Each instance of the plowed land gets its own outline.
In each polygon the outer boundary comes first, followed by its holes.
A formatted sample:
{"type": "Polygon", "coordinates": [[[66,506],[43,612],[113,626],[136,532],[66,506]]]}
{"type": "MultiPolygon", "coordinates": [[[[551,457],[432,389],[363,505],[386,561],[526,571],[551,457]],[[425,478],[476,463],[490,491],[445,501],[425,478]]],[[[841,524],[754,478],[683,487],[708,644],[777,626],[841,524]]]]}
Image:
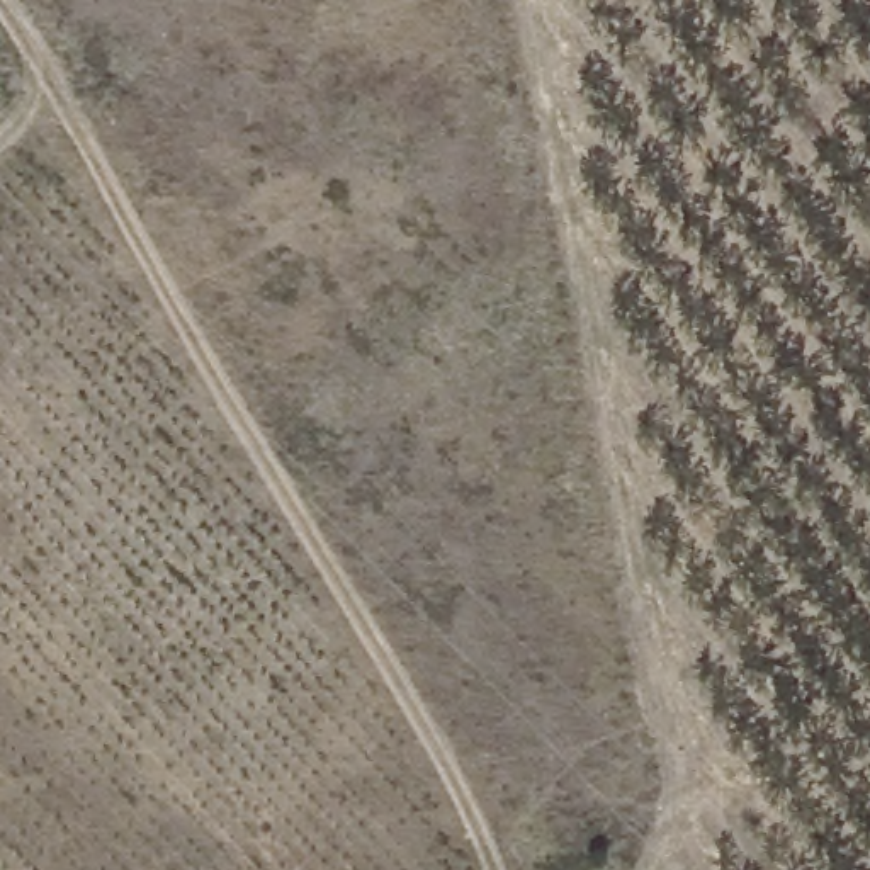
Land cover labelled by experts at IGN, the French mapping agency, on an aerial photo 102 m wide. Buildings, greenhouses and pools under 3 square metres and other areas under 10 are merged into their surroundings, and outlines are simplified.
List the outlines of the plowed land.
{"type": "Polygon", "coordinates": [[[809,238],[805,224],[788,211],[788,204],[782,197],[771,204],[782,224],[785,258],[792,262],[795,282],[816,279],[819,285],[826,285],[826,299],[833,299],[836,306],[826,319],[809,323],[805,306],[795,306],[785,296],[782,302],[775,302],[778,323],[799,333],[802,340],[822,333],[860,336],[870,350],[870,309],[843,289],[839,272],[853,258],[870,258],[870,228],[856,218],[856,207],[836,207],[836,218],[843,218],[846,224],[846,248],[843,255],[822,258],[819,245],[809,238]]]}
{"type": "Polygon", "coordinates": [[[812,523],[812,534],[826,561],[833,561],[839,540],[829,534],[829,520],[819,510],[816,489],[805,489],[799,479],[788,479],[782,486],[782,496],[788,500],[788,510],[795,513],[795,520],[812,523]]]}
{"type": "Polygon", "coordinates": [[[734,360],[748,360],[758,370],[771,370],[775,360],[768,340],[758,336],[754,326],[741,326],[734,333],[734,360]]]}
{"type": "Polygon", "coordinates": [[[20,92],[34,92],[37,85],[17,48],[0,34],[0,109],[20,92]]]}
{"type": "Polygon", "coordinates": [[[785,554],[765,551],[765,561],[778,578],[778,588],[795,591],[802,578],[788,571],[785,554]]]}
{"type": "Polygon", "coordinates": [[[802,428],[809,452],[819,452],[826,459],[826,472],[833,483],[850,483],[853,469],[843,455],[836,455],[836,445],[819,435],[812,421],[809,391],[788,384],[782,387],[778,401],[792,408],[792,428],[802,428]]]}
{"type": "Polygon", "coordinates": [[[748,234],[727,231],[724,245],[741,248],[744,272],[761,275],[765,262],[758,262],[758,248],[748,241],[748,234]]]}
{"type": "Polygon", "coordinates": [[[754,408],[727,391],[720,404],[737,411],[737,432],[751,442],[758,432],[754,408]]]}
{"type": "Polygon", "coordinates": [[[656,282],[653,265],[622,255],[619,218],[595,207],[595,194],[581,177],[581,160],[591,146],[612,153],[612,177],[619,184],[619,194],[636,201],[636,218],[642,224],[656,228],[656,248],[690,262],[690,285],[703,289],[717,309],[724,309],[724,316],[737,309],[734,285],[717,279],[717,268],[700,255],[700,248],[683,245],[683,211],[676,204],[663,204],[639,173],[639,153],[646,139],[666,143],[673,136],[666,119],[653,116],[649,71],[656,71],[659,65],[676,68],[683,82],[683,88],[676,92],[680,102],[697,95],[707,109],[703,133],[683,136],[686,194],[707,194],[714,204],[724,207],[724,187],[707,184],[710,163],[741,167],[737,194],[744,201],[758,201],[758,190],[782,190],[778,173],[771,167],[761,167],[751,150],[741,150],[727,136],[727,129],[720,126],[720,99],[707,85],[707,68],[686,54],[683,41],[669,34],[669,24],[656,17],[653,0],[513,0],[520,61],[534,78],[530,95],[537,105],[547,197],[557,214],[571,306],[578,313],[585,394],[598,404],[595,435],[602,442],[602,483],[608,489],[608,510],[619,530],[615,561],[622,564],[622,585],[615,588],[615,598],[619,608],[632,608],[625,622],[629,656],[636,663],[632,697],[649,734],[656,737],[656,761],[663,775],[656,822],[639,856],[642,870],[826,870],[829,853],[812,846],[805,822],[792,816],[792,795],[771,792],[761,775],[751,771],[751,741],[731,751],[727,727],[714,717],[710,693],[700,686],[697,656],[710,653],[714,663],[727,666],[731,686],[744,690],[744,697],[761,710],[761,717],[775,717],[775,683],[765,673],[748,673],[741,666],[741,646],[734,632],[717,636],[707,619],[710,612],[686,605],[686,557],[676,554],[676,564],[666,564],[666,557],[649,551],[642,537],[642,523],[653,503],[663,496],[673,517],[680,520],[680,534],[700,547],[700,554],[707,554],[717,544],[714,520],[744,506],[744,496],[731,493],[727,459],[714,455],[703,418],[680,401],[676,367],[656,364],[646,353],[629,353],[629,330],[615,323],[612,302],[612,285],[619,272],[632,272],[642,282],[642,296],[663,319],[659,330],[666,333],[669,347],[697,353],[697,326],[686,326],[680,313],[680,296],[656,282]],[[619,139],[615,129],[598,129],[588,122],[591,105],[581,92],[581,65],[588,54],[602,54],[608,61],[612,78],[636,95],[636,136],[619,139]],[[666,425],[673,428],[673,442],[690,445],[690,462],[703,472],[703,483],[697,489],[680,489],[666,476],[663,455],[639,442],[639,411],[656,401],[666,404],[666,425]]]}
{"type": "Polygon", "coordinates": [[[856,384],[836,367],[829,347],[819,343],[816,353],[805,353],[809,367],[822,367],[822,387],[839,391],[839,418],[856,425],[860,438],[870,442],[870,408],[860,401],[856,384]]]}
{"type": "Polygon", "coordinates": [[[826,133],[846,133],[850,167],[867,167],[870,184],[870,143],[863,139],[860,119],[850,112],[850,102],[839,88],[850,78],[870,78],[870,48],[856,51],[853,44],[843,54],[829,58],[812,58],[802,44],[792,48],[792,82],[802,85],[805,95],[795,105],[782,109],[775,126],[775,139],[788,139],[788,163],[805,167],[812,190],[826,194],[833,180],[833,170],[816,156],[816,139],[826,133]]]}
{"type": "Polygon", "coordinates": [[[717,31],[720,65],[737,65],[741,75],[754,68],[751,58],[761,51],[761,37],[771,34],[775,0],[744,0],[754,10],[751,20],[727,20],[717,31]]]}

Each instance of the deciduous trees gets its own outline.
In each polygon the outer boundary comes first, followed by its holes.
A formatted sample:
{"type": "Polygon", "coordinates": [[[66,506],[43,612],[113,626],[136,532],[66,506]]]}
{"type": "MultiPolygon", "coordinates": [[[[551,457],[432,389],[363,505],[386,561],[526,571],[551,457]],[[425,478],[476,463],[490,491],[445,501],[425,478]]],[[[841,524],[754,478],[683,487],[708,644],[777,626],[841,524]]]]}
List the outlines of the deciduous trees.
{"type": "Polygon", "coordinates": [[[826,299],[826,285],[819,285],[816,279],[795,282],[792,262],[785,258],[782,224],[771,204],[782,197],[788,204],[788,211],[805,224],[809,238],[819,245],[822,258],[843,255],[846,248],[846,224],[843,218],[836,218],[836,207],[856,207],[856,218],[870,228],[870,184],[867,167],[850,167],[846,133],[826,133],[816,139],[816,156],[833,170],[833,180],[826,194],[812,190],[805,167],[788,163],[788,139],[775,139],[775,126],[782,109],[795,105],[805,95],[802,85],[792,82],[792,48],[802,44],[812,58],[829,58],[843,54],[853,44],[856,51],[870,48],[870,0],[775,0],[771,34],[761,37],[761,51],[751,58],[754,68],[741,75],[737,65],[720,65],[717,31],[727,20],[751,20],[754,10],[744,0],[653,0],[656,17],[669,24],[669,34],[683,41],[686,54],[707,68],[707,85],[720,99],[720,126],[727,129],[727,136],[741,150],[751,150],[761,167],[771,167],[778,173],[782,190],[758,190],[758,201],[744,201],[737,194],[741,167],[710,163],[707,184],[724,187],[724,207],[714,204],[707,194],[686,194],[683,136],[703,133],[707,109],[697,95],[680,102],[676,92],[683,88],[683,82],[676,68],[659,65],[656,71],[649,71],[653,116],[666,119],[673,136],[666,143],[646,139],[639,153],[639,173],[663,204],[676,204],[683,211],[683,245],[700,248],[700,255],[717,268],[717,279],[734,285],[737,309],[724,316],[724,309],[717,309],[703,289],[690,285],[690,262],[656,248],[656,228],[642,224],[636,218],[636,201],[619,194],[619,184],[612,177],[612,153],[591,146],[581,160],[581,177],[595,194],[595,207],[619,218],[622,255],[653,265],[656,282],[680,296],[680,313],[686,326],[697,326],[697,353],[669,347],[666,333],[659,330],[663,319],[642,296],[642,282],[632,272],[619,272],[612,285],[612,302],[615,323],[629,330],[629,353],[646,353],[656,364],[676,367],[680,401],[703,418],[714,455],[727,459],[731,493],[744,496],[744,506],[714,520],[717,544],[707,554],[700,554],[700,547],[680,534],[680,520],[673,517],[663,496],[653,503],[642,523],[642,537],[649,551],[666,557],[666,564],[676,564],[676,554],[686,557],[686,605],[710,612],[707,619],[717,636],[734,632],[741,646],[741,666],[748,673],[765,673],[775,683],[775,717],[761,717],[761,710],[744,697],[744,690],[731,686],[727,666],[714,663],[710,653],[697,656],[700,686],[710,693],[714,717],[727,727],[731,751],[751,741],[751,771],[761,775],[771,792],[792,795],[792,816],[805,822],[812,846],[829,853],[826,870],[870,870],[870,442],[860,438],[856,425],[839,418],[839,391],[822,387],[822,367],[809,367],[805,353],[816,353],[819,343],[829,347],[836,367],[856,384],[860,401],[870,408],[870,350],[860,336],[822,333],[802,340],[799,333],[778,323],[775,302],[782,302],[785,296],[795,306],[805,306],[809,323],[826,319],[836,306],[833,299],[826,299]],[[741,248],[724,245],[727,231],[748,234],[748,241],[758,248],[758,262],[765,262],[761,275],[744,272],[741,248]],[[741,326],[754,326],[758,336],[768,340],[775,360],[771,370],[758,370],[748,360],[734,360],[734,333],[741,326]],[[853,469],[850,483],[833,483],[826,472],[826,459],[819,452],[809,452],[802,428],[792,428],[792,408],[778,401],[782,387],[788,384],[809,391],[812,421],[819,435],[836,445],[836,455],[843,455],[853,469]],[[720,404],[727,391],[754,408],[758,432],[751,442],[737,432],[737,411],[720,404]],[[788,500],[782,496],[782,486],[788,479],[799,479],[805,489],[816,489],[819,510],[829,520],[829,534],[839,540],[833,561],[826,561],[812,534],[812,523],[795,520],[795,513],[788,510],[788,500]],[[778,578],[765,561],[765,551],[785,554],[788,571],[802,578],[795,591],[778,588],[778,578]]]}
{"type": "Polygon", "coordinates": [[[850,102],[850,112],[860,119],[863,139],[870,143],[870,78],[850,78],[839,88],[850,102]]]}
{"type": "Polygon", "coordinates": [[[870,309],[870,258],[853,258],[839,272],[843,289],[870,309]]]}
{"type": "Polygon", "coordinates": [[[608,61],[602,54],[588,54],[581,65],[581,92],[591,105],[588,122],[598,129],[615,129],[619,139],[636,136],[636,95],[612,78],[608,61]]]}
{"type": "Polygon", "coordinates": [[[703,472],[690,462],[690,445],[673,442],[673,428],[666,425],[666,404],[656,401],[639,411],[639,442],[663,455],[666,476],[680,489],[697,489],[703,483],[703,472]]]}

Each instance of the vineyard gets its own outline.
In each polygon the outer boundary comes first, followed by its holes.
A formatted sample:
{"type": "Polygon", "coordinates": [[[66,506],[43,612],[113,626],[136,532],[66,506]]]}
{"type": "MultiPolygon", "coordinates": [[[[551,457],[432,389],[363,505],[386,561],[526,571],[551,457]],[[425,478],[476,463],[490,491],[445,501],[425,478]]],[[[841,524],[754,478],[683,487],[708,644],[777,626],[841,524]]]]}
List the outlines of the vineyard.
{"type": "Polygon", "coordinates": [[[139,262],[133,258],[129,245],[122,241],[122,231],[112,211],[105,207],[95,180],[88,177],[78,146],[58,126],[48,105],[41,105],[31,133],[17,146],[7,146],[0,139],[0,870],[479,870],[476,853],[455,816],[455,805],[445,795],[428,754],[415,741],[415,731],[408,727],[401,707],[381,683],[370,656],[357,642],[333,595],[326,591],[319,571],[309,564],[292,527],[275,510],[265,483],[251,469],[251,459],[231,438],[211,391],[197,377],[194,364],[187,360],[177,340],[170,316],[163,313],[146,275],[139,272],[139,262]]]}

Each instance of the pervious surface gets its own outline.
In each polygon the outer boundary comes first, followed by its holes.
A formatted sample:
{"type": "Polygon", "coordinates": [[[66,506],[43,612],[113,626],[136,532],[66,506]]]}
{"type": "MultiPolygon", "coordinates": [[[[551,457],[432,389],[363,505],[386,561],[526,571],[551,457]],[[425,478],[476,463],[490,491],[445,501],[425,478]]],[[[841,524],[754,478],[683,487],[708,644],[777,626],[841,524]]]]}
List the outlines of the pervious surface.
{"type": "Polygon", "coordinates": [[[374,619],[367,598],[347,574],[343,557],[323,537],[313,510],[299,496],[296,479],[279,462],[272,438],[248,411],[238,384],[221,364],[214,343],[207,340],[207,330],[201,326],[187,296],[180,292],[177,279],[170,275],[122,180],[116,177],[109,153],[102,150],[88,116],[82,112],[82,99],[71,92],[61,58],[51,54],[44,34],[37,31],[20,0],[0,0],[0,34],[17,48],[37,85],[34,92],[20,92],[0,109],[0,139],[7,146],[17,146],[31,133],[41,105],[48,105],[58,126],[78,146],[88,177],[95,180],[105,207],[112,211],[122,231],[122,241],[129,245],[133,258],[139,262],[139,272],[146,275],[163,313],[170,316],[177,340],[187,360],[194,364],[197,377],[211,391],[231,438],[251,459],[251,469],[265,483],[275,510],[292,527],[309,564],[319,571],[326,591],[333,595],[357,642],[370,656],[381,683],[401,707],[408,727],[415,731],[415,741],[428,754],[445,795],[455,805],[455,816],[476,853],[479,870],[496,870],[503,860],[496,836],[483,816],[483,805],[469,778],[462,775],[449,734],[435,724],[432,707],[421,700],[418,686],[411,683],[411,673],[394,653],[391,639],[384,636],[381,622],[374,619]]]}

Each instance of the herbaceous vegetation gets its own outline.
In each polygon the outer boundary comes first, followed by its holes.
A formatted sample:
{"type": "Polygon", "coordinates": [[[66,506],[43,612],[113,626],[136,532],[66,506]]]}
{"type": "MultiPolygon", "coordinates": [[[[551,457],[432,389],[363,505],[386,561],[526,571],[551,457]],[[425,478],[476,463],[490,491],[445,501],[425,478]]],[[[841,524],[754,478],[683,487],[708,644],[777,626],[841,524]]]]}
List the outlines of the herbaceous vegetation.
{"type": "Polygon", "coordinates": [[[578,313],[571,306],[557,214],[547,197],[537,105],[530,95],[534,78],[520,61],[513,0],[20,0],[37,31],[44,34],[51,54],[61,58],[71,92],[82,99],[82,112],[88,116],[102,150],[109,153],[116,177],[122,180],[170,275],[177,279],[180,292],[187,296],[201,326],[207,330],[207,340],[214,343],[221,364],[238,384],[248,411],[272,438],[279,462],[296,479],[299,496],[313,510],[323,537],[343,557],[347,574],[367,598],[374,619],[381,622],[384,636],[391,639],[394,653],[411,673],[411,683],[418,686],[421,700],[432,707],[435,724],[449,734],[462,775],[469,778],[483,805],[483,816],[496,836],[503,860],[496,870],[642,870],[639,856],[656,822],[663,775],[656,761],[656,737],[649,734],[632,697],[636,663],[629,656],[625,622],[632,608],[619,608],[615,598],[615,588],[622,585],[622,564],[615,561],[619,530],[608,510],[608,489],[602,483],[602,442],[595,435],[598,404],[585,394],[578,313]]]}

